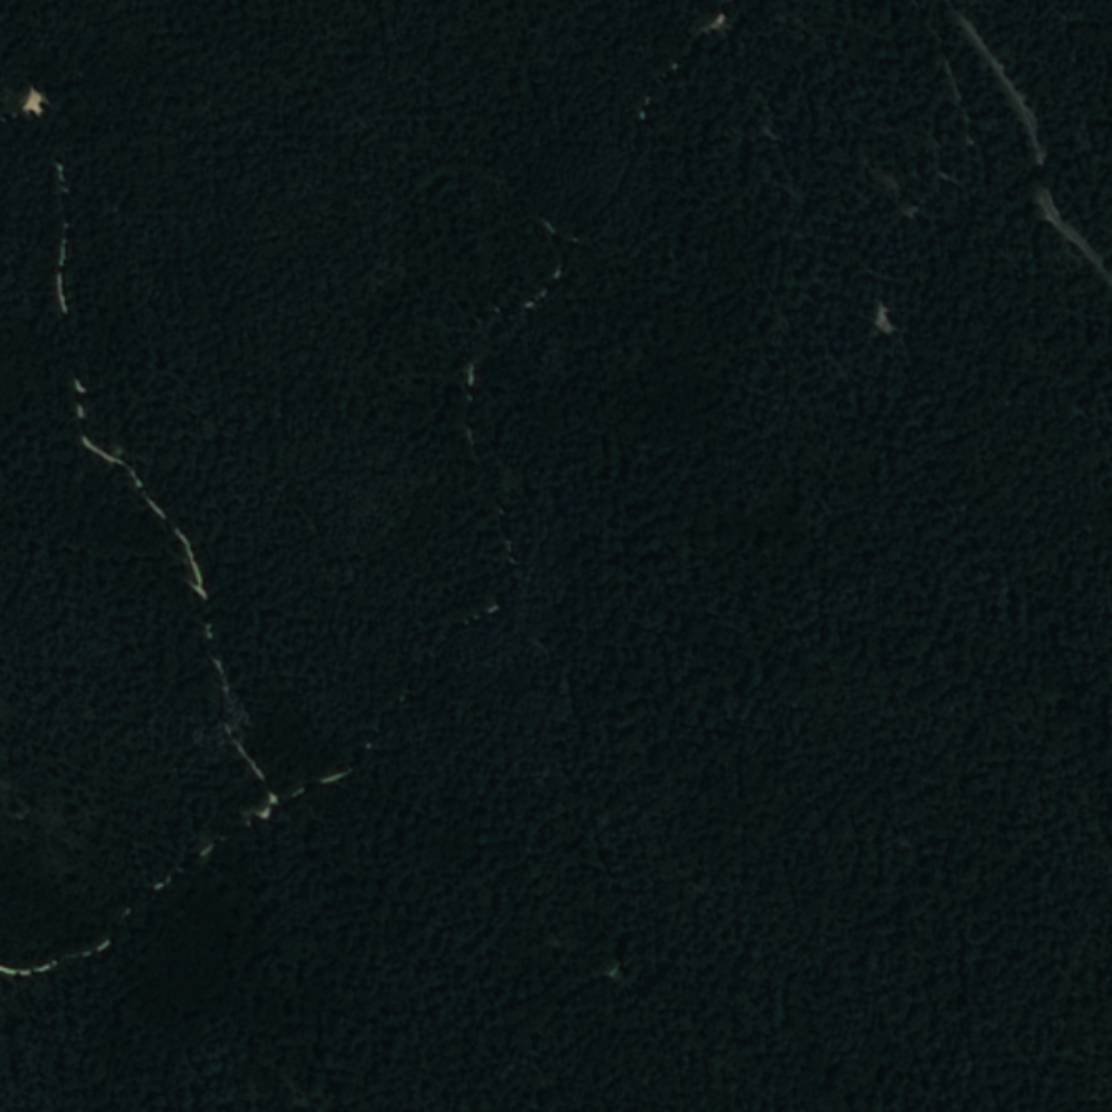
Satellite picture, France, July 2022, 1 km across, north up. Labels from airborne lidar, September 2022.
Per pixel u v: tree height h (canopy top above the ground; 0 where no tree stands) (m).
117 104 15
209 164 16
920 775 15
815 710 19
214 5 17
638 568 17
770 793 18
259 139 16
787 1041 20
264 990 7
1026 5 20
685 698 28
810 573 22
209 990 17
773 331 24
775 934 18
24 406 7
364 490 15
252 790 18
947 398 22
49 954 9
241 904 6
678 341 11
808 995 7
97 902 10
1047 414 18
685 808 10
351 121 15
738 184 6
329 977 20
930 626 18
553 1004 13
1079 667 20
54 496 22
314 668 7
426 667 8
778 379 12
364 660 18
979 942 22
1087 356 21
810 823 22
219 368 11
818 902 21
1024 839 23
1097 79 11
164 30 21
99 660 14
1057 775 18
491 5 11
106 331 19
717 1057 22
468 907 15
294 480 15
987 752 23
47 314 23
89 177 19
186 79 19
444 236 21
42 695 22
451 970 24
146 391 19
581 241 19
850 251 26
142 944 21
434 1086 19
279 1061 9
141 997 22
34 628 17
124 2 16
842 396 13
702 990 18
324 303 10
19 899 10
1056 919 22
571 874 16
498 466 20
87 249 23
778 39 13
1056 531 13
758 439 11
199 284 11
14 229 24
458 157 9
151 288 23
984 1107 24
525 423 20
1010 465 12
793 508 11
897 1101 26
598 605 25
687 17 17
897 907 6
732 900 20
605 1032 22
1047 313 22
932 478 22
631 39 22
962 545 9
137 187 16
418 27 20
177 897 8
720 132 23
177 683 14
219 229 16
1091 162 25
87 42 16
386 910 26
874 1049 19
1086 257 16
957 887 20
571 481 20
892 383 30
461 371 22
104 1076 30
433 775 25
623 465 6
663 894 14
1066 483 16
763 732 20
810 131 21
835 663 16
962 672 28
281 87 19
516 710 32
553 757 26
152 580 20
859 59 8
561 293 21
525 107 14
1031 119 0
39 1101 23
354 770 16
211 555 9
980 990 23
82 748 8
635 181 22
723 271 16
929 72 32
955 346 18
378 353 16
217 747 23
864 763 17
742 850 17
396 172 15
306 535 15
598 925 20
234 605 19
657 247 18
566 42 20
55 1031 24
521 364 12
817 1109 17
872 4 6
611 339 16
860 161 28
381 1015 16
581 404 19
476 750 17
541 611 31
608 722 19
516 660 24
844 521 11
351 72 10
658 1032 20
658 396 11
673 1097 11
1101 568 16
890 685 13
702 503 24
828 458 9
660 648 22
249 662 24
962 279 20
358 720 12
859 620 22
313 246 12
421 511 7
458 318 26
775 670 23
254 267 17
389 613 17
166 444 14
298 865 23
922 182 10
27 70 16
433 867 9
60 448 16
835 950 17
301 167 12
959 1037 15
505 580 23
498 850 18
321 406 21
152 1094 10
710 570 14
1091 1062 18
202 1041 20
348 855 23
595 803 28
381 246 17
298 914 28
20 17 23
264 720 29
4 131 22
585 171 23
